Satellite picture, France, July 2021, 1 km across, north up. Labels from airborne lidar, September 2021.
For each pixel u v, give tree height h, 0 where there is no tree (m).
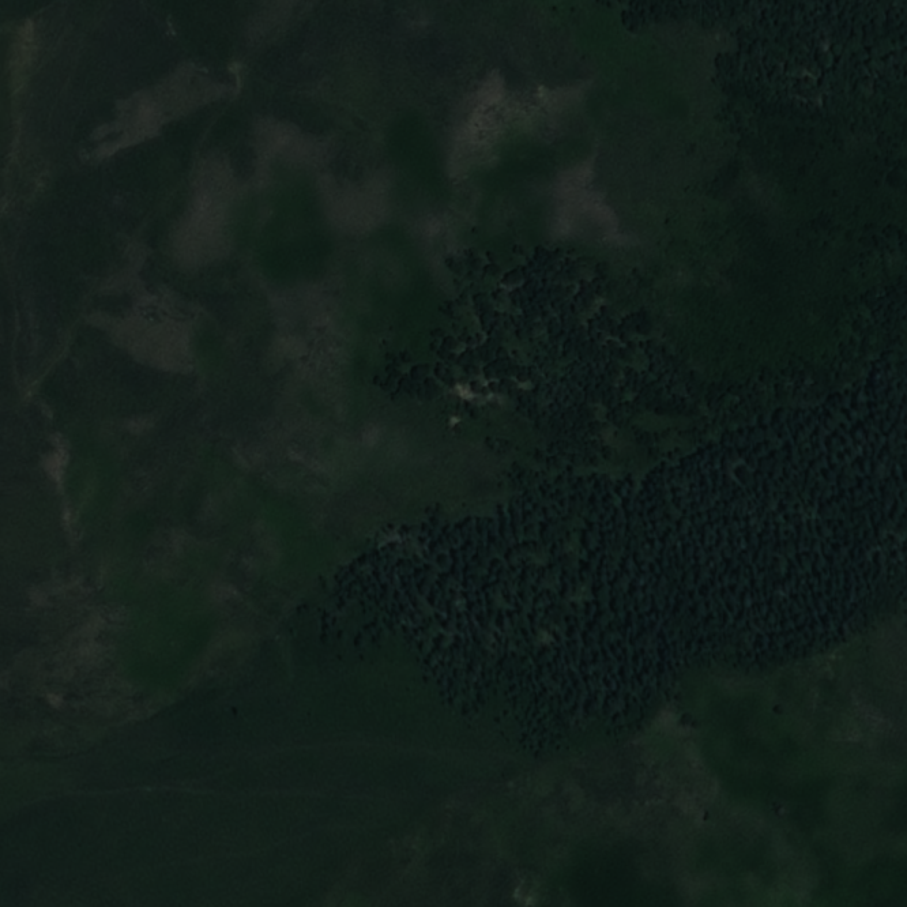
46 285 0
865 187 10
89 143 0
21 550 0
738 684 0
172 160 0
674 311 6
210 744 0
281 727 0
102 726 0
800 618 23
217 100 0
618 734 8
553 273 19
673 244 8
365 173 0
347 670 0
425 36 0
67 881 0
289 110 0
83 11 0
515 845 0
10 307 0
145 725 0
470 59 0
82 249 0
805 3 17
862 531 19
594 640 25
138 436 0
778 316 7
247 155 0
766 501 15
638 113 0
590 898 0
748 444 10
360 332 0
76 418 0
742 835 0
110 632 0
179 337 0
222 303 0
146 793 0
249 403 0
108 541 0
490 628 21
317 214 0
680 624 16
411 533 27
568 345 16
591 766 0
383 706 0
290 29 0
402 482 0
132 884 0
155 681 0
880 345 26
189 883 0
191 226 0
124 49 0
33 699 0
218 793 0
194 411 0
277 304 0
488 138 0
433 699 0
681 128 0
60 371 0
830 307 9
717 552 21
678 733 0
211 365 0
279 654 0
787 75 16
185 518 0
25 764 0
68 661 0
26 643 0
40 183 0
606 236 0
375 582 11
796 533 9
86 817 0
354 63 0
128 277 0
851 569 17
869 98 14
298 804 0
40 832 0
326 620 11
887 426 28
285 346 0
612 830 0
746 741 0
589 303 24
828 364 11
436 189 0
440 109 0
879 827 0
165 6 0
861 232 10
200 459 0
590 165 0
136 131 0
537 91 0
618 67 0
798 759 0
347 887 0
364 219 0
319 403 0
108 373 0
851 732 0
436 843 0
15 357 0
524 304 20
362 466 0
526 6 0
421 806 0
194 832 0
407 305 0
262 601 0
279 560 0
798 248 7
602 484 25
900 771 0
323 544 0
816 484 20
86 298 0
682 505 19
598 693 20
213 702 0
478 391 28
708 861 0
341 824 0
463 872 0
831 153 9
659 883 0
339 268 0
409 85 0
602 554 17
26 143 0
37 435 0
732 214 6
